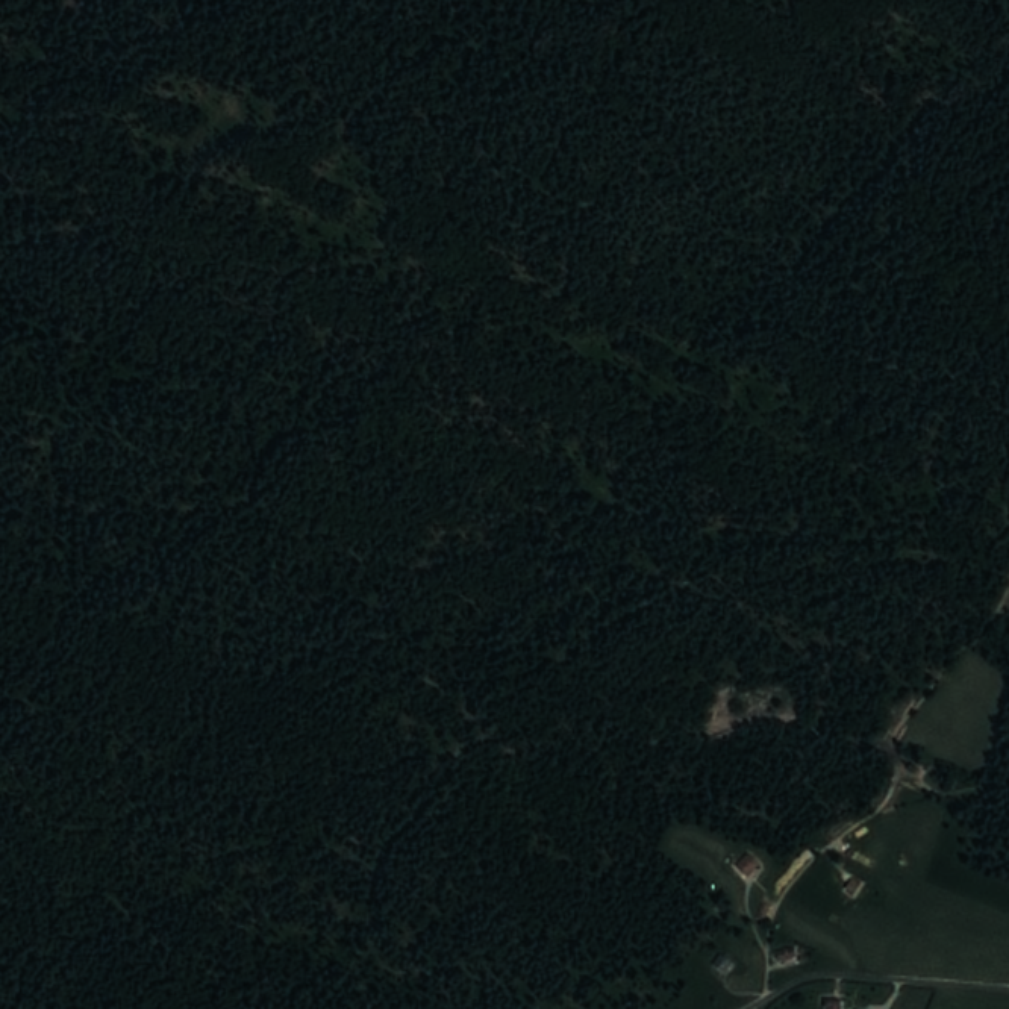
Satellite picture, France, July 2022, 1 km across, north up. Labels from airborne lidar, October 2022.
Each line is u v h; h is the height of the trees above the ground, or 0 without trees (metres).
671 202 13
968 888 0
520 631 32
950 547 9
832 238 27
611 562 11
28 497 27
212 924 17
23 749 17
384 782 14
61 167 27
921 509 6
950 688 0
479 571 20
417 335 30
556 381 15
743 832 9
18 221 32
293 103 14
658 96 6
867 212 25
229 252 21
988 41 22
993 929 0
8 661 17
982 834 18
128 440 9
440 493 15
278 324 28
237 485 14
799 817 11
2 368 25
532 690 21
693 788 12
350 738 18
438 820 10
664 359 31
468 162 22
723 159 12
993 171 21
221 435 22
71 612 13
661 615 24
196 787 7
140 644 19
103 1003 8
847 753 30
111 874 16
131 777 19
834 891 0
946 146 22
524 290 19
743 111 17
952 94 30
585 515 13
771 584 25
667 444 23
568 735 8
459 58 9
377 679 9
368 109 15
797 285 29
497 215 28
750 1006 0
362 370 34
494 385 26
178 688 13
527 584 19
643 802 13
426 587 21
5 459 22
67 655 21
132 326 32
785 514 27
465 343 23
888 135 21
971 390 18
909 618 19
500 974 23
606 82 13
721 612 27
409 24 24
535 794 13
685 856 0
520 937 16
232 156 22
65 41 25
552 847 13
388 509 19
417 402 30
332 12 9
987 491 15
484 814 8
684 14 24
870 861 0
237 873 12
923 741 0
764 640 26
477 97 30
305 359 25
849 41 22
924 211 23
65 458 23
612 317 21
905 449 28
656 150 9
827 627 9
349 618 26
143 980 17
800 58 22
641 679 23
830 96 22
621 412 18
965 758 0
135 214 24
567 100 6
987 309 23
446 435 14
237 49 15
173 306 27
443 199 20
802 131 18
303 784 22
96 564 7
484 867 14
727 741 9
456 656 15
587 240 24
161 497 10
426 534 21
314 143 25
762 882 0
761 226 10
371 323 21
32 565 25
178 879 9
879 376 22
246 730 20
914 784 0
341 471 16
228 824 24
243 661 8
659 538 29
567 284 22
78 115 26
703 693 12
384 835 27
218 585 28
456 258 17
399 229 25
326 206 22
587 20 19
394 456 16
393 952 26
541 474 26
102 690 24
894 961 0
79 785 21
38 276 26
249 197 7
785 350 26
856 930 0
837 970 0
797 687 22
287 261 21
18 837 14
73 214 21
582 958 13
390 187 26
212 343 24
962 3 28
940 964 0
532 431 27
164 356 27
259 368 25
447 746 10
